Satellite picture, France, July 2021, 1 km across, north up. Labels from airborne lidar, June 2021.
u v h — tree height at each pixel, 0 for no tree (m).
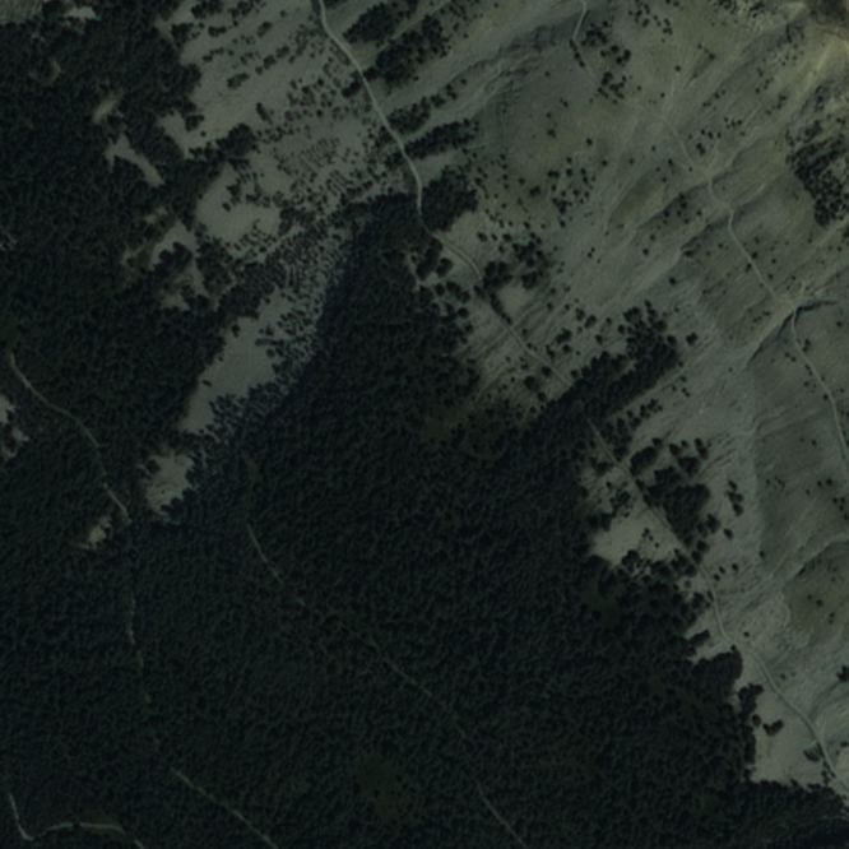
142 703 17
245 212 0
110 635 21
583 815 9
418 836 8
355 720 30
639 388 14
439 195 14
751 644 0
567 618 18
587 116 0
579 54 8
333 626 14
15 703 15
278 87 0
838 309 0
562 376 0
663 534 0
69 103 17
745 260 0
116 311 9
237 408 9
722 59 0
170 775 13
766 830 15
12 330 0
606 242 0
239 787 12
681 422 0
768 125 0
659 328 13
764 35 0
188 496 12
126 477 19
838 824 7
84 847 16
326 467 25
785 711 0
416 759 31
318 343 6
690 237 0
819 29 0
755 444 0
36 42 11
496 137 0
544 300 0
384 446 15
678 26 0
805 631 0
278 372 11
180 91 15
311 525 12
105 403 23
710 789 11
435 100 7
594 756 9
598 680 29
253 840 19
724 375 0
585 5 0
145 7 16
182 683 13
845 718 0
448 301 0
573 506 18
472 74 0
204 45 0
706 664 19
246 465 13
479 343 0
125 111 18
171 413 24
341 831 8
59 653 32
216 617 25
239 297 13
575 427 19
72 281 21
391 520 7
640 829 26
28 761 15
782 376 0
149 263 0
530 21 0
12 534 21
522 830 20
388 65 17
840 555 0
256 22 0
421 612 23
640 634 17
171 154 11
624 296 0
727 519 0
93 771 25
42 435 12
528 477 27
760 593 0
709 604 7
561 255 0
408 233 14
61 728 22
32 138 24
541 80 0
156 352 17
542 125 0
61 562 7
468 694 30
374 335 24
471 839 24
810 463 0
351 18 0
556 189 7
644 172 0
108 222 23
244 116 0
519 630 31
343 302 8
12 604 23
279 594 20
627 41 0
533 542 26
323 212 7
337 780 24
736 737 13
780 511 0
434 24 9
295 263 7
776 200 0
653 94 0
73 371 15
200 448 13
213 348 10
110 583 24
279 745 7
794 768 0
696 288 0
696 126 0
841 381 0
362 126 0
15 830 14
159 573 21
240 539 14
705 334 0
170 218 0
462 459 10
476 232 0
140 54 12
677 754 16
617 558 0
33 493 11
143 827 12
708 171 0
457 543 17
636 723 27
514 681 16
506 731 6
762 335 0
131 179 23
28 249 12
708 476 0
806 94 0
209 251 14
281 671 22
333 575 19
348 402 16
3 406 0
